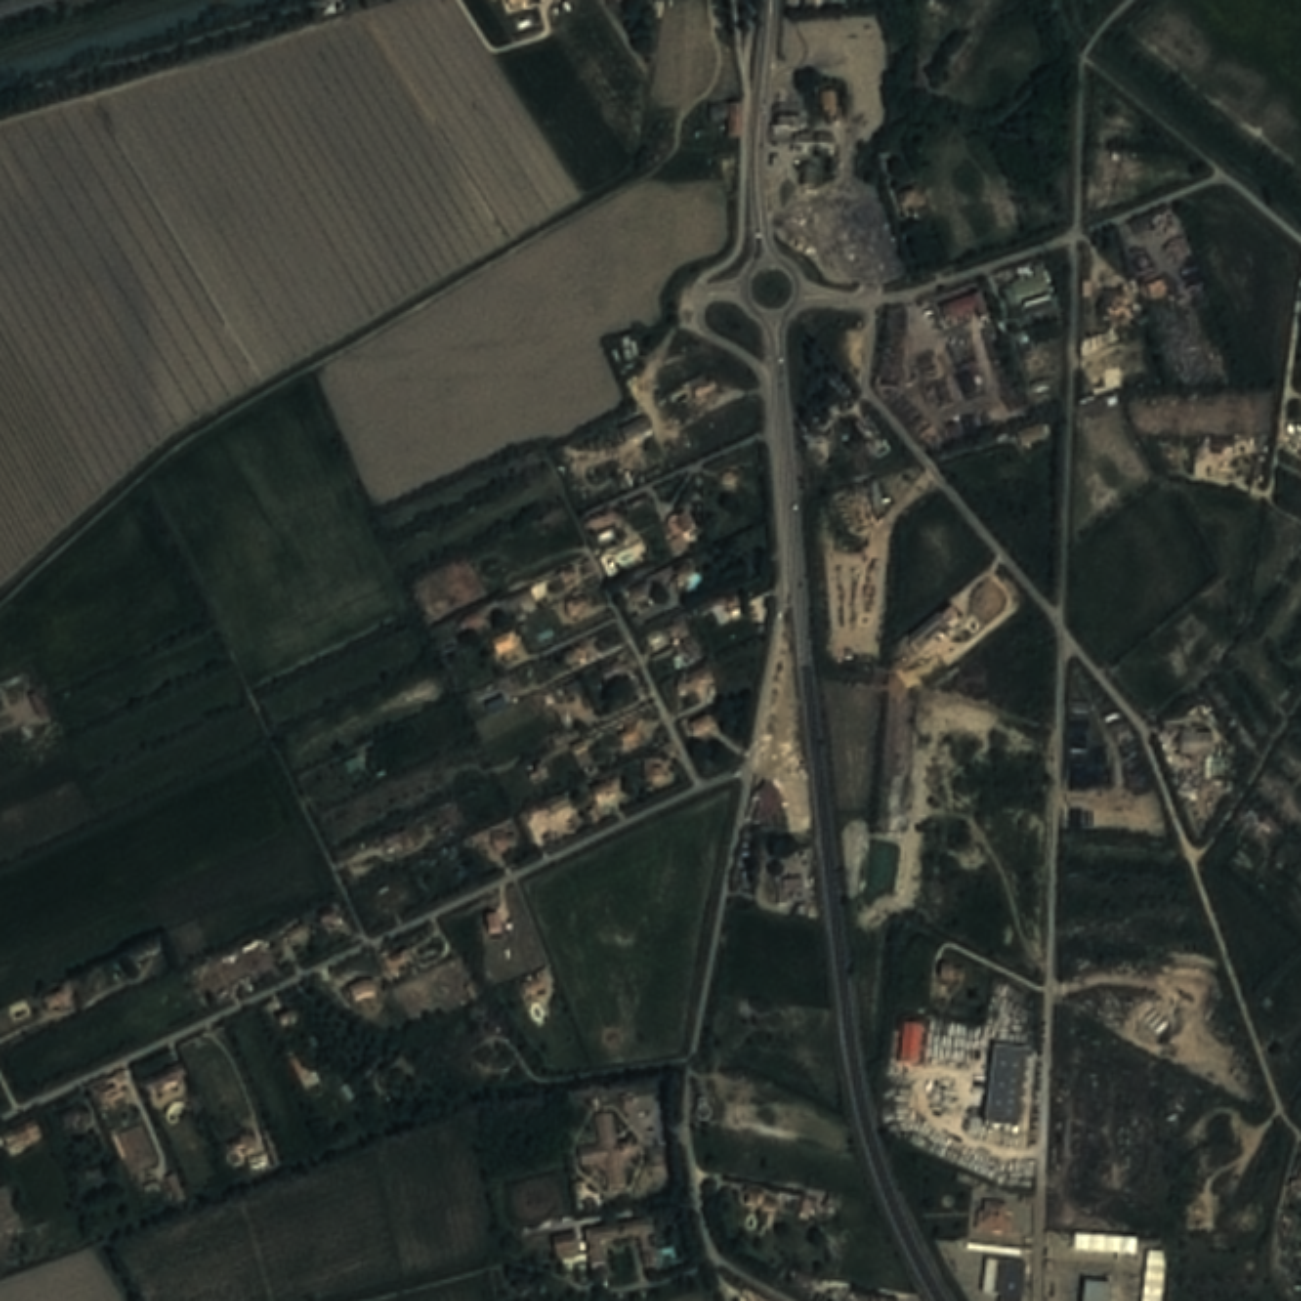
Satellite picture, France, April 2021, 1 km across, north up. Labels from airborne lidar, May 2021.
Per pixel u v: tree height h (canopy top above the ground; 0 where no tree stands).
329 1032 8
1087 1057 0
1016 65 0
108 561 0
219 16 11
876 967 0
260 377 0
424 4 0
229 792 0
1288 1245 0
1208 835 6
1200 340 0
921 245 11
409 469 0
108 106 0
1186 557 0
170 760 0
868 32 0
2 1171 13
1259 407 0
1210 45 0
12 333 0
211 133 0
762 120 0
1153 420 0
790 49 0
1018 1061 0
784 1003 0
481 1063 0
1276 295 0
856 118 0
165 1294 0
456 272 0
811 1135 0
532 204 0
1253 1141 0
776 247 0
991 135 7
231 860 0
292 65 0
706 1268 8
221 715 6
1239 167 0
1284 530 0
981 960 0
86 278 0
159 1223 12
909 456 7
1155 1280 0
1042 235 6
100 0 7
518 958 0
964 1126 0
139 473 0
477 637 11
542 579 0
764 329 0
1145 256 0
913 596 0
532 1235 0
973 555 0
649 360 0
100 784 0
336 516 0
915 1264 0
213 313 0
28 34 6
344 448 7
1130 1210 0
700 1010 0
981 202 0
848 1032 0
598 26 0
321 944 9
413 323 0
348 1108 0
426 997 0
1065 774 0
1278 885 0
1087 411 0
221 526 0
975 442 10
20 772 0
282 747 8
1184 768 0
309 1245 0
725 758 14
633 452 0
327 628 0
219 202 0
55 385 0
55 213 0
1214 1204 0
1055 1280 0
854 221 0
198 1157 0
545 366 0
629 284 0
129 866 0
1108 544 0
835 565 0
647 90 0
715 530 6
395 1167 0
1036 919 0
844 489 0
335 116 0
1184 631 0
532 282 0
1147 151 6
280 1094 0
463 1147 0
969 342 0
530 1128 10
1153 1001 0
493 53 0
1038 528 0
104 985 0
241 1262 0
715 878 0
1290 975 0
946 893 0
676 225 0
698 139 0
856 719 0
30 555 0
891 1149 7
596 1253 0
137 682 0
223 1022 6
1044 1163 0
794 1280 10
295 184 0
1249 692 6
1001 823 0
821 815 0
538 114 0
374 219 0
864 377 0
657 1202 9
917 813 0
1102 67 0
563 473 0
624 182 0
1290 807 0
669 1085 13
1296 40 0
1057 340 0
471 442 0
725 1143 0
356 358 0
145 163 0
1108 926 0
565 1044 0
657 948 0
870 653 0
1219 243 0
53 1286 0
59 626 0
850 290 0
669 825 0
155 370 0
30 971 0
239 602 0
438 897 5
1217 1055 0
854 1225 0
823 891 0
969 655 0
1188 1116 0
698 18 0
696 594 7
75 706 0
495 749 0
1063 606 0
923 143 9
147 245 0
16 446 0
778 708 0
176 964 9
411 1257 0
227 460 0
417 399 0
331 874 6
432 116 0
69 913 0
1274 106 0
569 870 0
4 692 0
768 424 0
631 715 0
